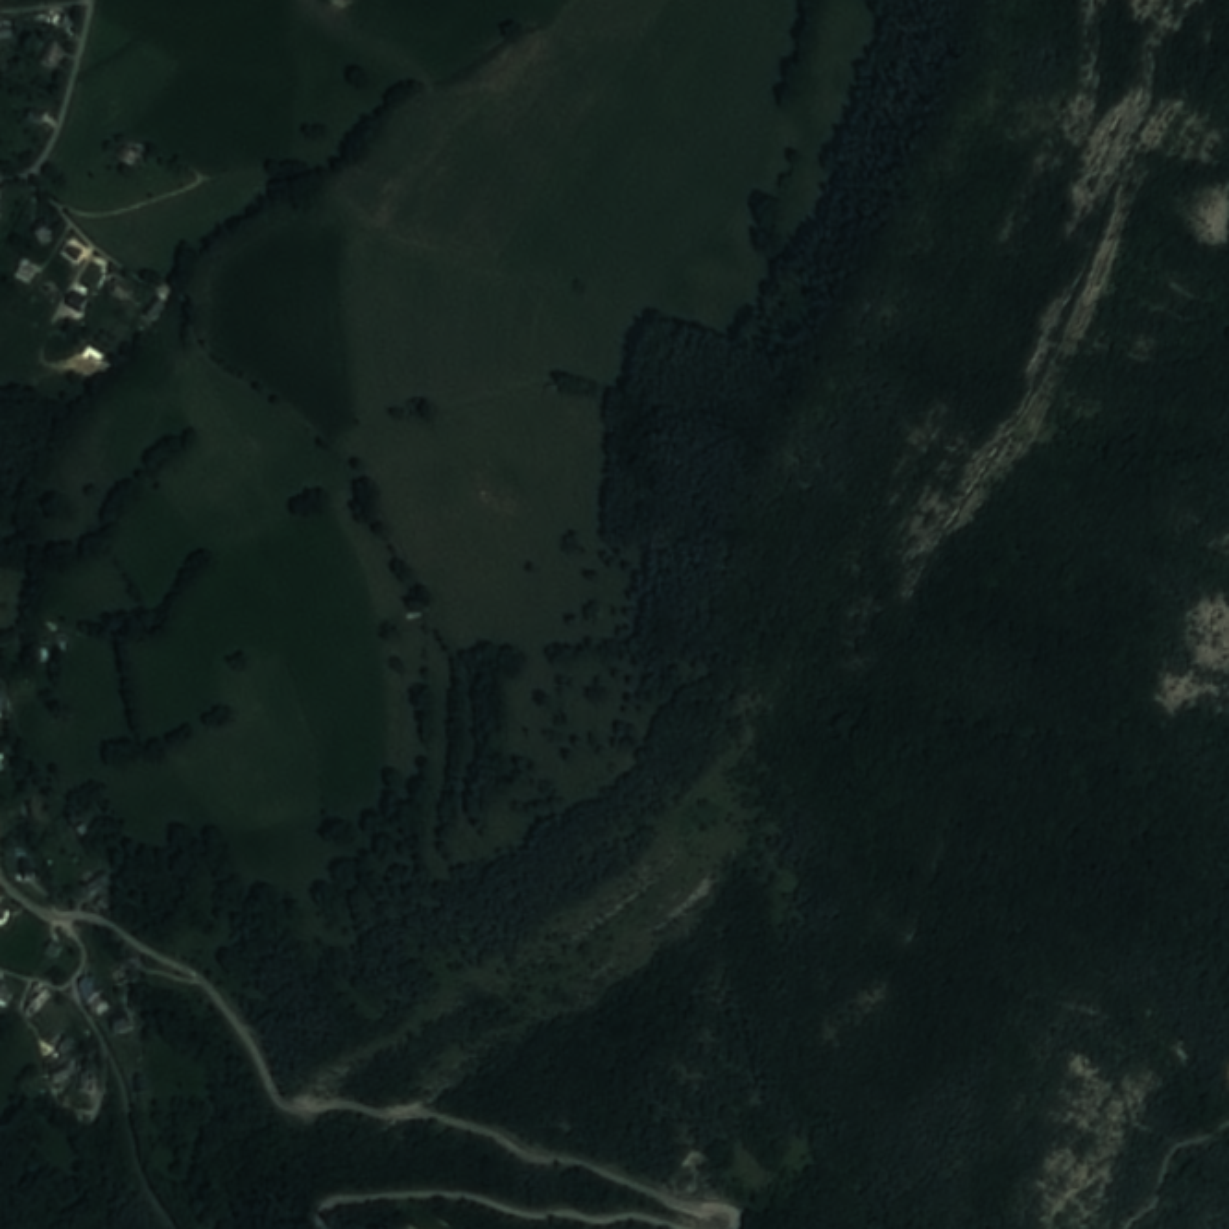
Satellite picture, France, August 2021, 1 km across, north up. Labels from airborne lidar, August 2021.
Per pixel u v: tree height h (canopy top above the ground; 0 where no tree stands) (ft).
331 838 47
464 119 0
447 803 25
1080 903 50
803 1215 42
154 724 0
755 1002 53
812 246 70
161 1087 0
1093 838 52
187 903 54
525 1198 36
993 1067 35
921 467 31
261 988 30
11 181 18
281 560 0
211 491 0
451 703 26
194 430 30
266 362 0
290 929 29
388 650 0
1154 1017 20
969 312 45
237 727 0
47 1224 67
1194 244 52
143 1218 59
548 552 0
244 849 0
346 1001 24
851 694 63
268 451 0
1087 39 28
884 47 40
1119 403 37
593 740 19
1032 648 65
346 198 0
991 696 26
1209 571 37
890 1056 35
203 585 0
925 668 50
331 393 0
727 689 23
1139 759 44
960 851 69
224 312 0
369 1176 61
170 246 0
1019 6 30
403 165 0
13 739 34
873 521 31
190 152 0
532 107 0
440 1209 52
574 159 0
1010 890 52
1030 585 59
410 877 27
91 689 0
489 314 0
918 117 55
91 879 0
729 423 68
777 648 46
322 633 0
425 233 0
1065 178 68
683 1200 0
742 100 0
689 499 58
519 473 0
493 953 34
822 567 42
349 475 0
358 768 0
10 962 0
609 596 0
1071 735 53
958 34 73
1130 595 49
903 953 39
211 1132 61
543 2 0
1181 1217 30
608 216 0
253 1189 45
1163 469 40
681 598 48
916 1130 29
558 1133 41
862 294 29
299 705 0
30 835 37
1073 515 40
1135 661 50
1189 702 36
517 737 0
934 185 41
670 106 0
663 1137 29
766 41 0
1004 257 44
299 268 0
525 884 48
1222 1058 39
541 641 0
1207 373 68
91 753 0
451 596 0
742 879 35
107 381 44
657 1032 34
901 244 36
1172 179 33
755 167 0
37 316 0
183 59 0
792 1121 46
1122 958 33
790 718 48
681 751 37
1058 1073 26
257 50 0
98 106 0
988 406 44
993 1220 38
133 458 0
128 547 0
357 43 0
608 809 29
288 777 0
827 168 35
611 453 41
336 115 0
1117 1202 19
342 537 0
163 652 0
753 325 45
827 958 48
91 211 0
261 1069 0
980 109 24
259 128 0
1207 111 25
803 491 35
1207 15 27
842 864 46
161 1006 29
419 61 0
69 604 0
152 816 0
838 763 55
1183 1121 48
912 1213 46
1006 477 30
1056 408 30
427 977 44
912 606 61
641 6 0
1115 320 31
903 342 53
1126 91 41
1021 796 60
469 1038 26
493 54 0
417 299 0
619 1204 35
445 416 0
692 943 41
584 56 0
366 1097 27
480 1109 43
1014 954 43
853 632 23
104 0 0
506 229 0
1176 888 47
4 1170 87
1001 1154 36
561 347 0
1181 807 59
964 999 60
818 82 0
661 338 64
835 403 30
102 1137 33
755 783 23
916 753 58
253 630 0
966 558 61
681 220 0
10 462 101
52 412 54
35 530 75
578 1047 52
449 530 0
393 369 0
